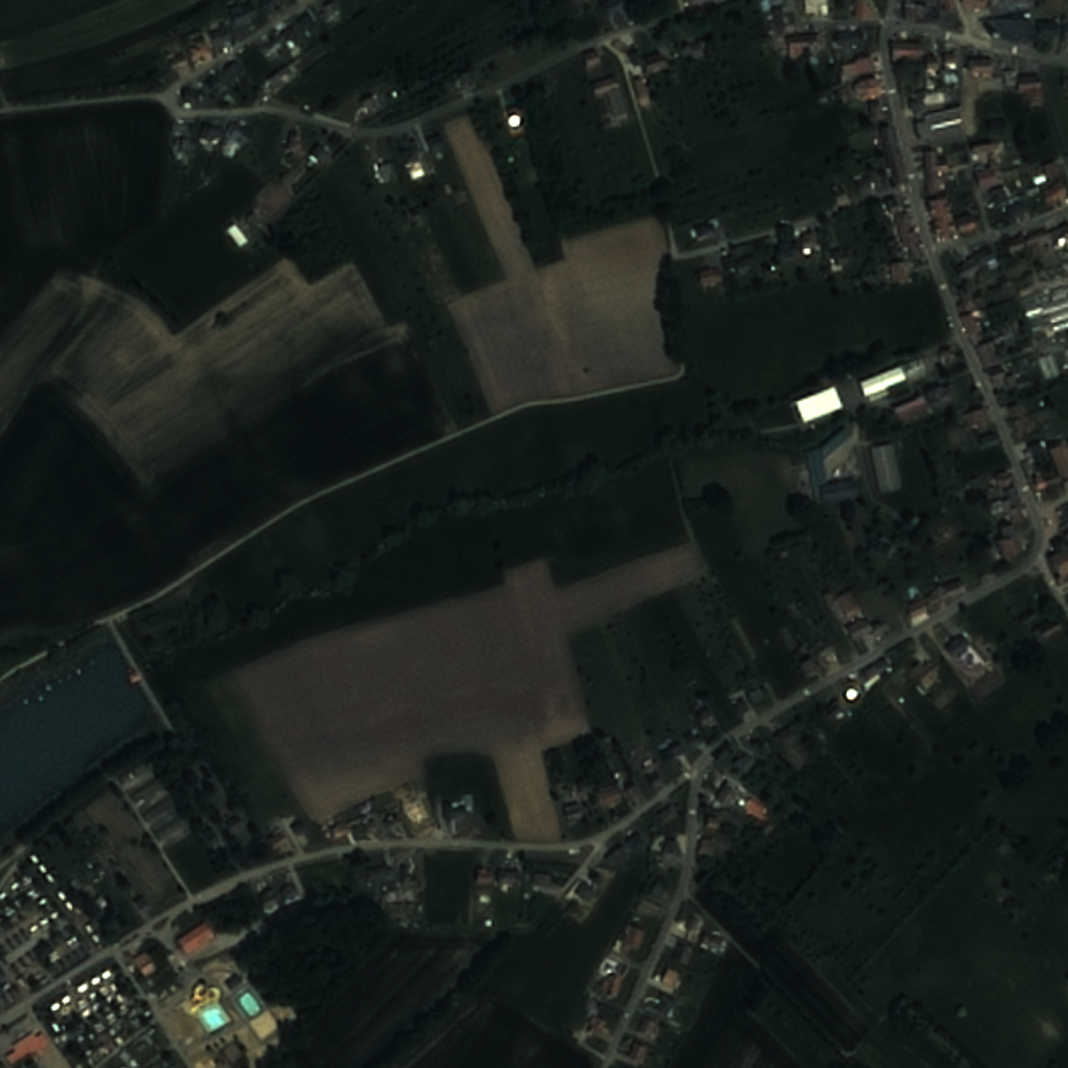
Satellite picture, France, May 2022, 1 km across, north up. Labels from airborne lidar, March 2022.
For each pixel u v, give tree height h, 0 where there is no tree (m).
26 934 0
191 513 0
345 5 0
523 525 0
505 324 0
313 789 0
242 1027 0
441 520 0
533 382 0
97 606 0
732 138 0
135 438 0
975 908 0
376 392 0
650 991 0
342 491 0
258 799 0
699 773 0
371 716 0
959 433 0
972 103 0
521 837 0
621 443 0
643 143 0
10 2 0
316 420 0
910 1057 0
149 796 0
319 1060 0
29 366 0
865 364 16
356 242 0
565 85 0
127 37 0
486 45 0
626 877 0
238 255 0
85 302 0
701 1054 0
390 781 0
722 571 0
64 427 0
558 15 17
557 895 0
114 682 0
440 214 0
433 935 0
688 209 0
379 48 0
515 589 0
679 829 0
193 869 0
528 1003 0
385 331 0
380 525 0
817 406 0
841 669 0
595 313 0
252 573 0
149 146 0
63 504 0
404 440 0
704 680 0
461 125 0
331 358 0
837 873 0
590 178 0
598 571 0
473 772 0
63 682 0
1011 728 0
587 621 0
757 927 18
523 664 0
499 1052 0
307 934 28
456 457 0
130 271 0
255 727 0
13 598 0
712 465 0
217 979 0
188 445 0
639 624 0
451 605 0
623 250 0
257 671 0
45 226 0
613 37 0
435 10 0
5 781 0
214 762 16
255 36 0
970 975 0
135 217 0
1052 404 16
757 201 0
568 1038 0
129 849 0
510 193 9
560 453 0
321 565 0
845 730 0
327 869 0
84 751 0
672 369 0
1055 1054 0
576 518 0
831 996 0
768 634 0
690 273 0
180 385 0
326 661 0
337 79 0
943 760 0
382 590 0
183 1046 0
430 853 0
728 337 0
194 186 0
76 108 0
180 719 15
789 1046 0
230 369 0
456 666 0
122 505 0
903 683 0
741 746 0
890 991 0
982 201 0
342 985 19
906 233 0
